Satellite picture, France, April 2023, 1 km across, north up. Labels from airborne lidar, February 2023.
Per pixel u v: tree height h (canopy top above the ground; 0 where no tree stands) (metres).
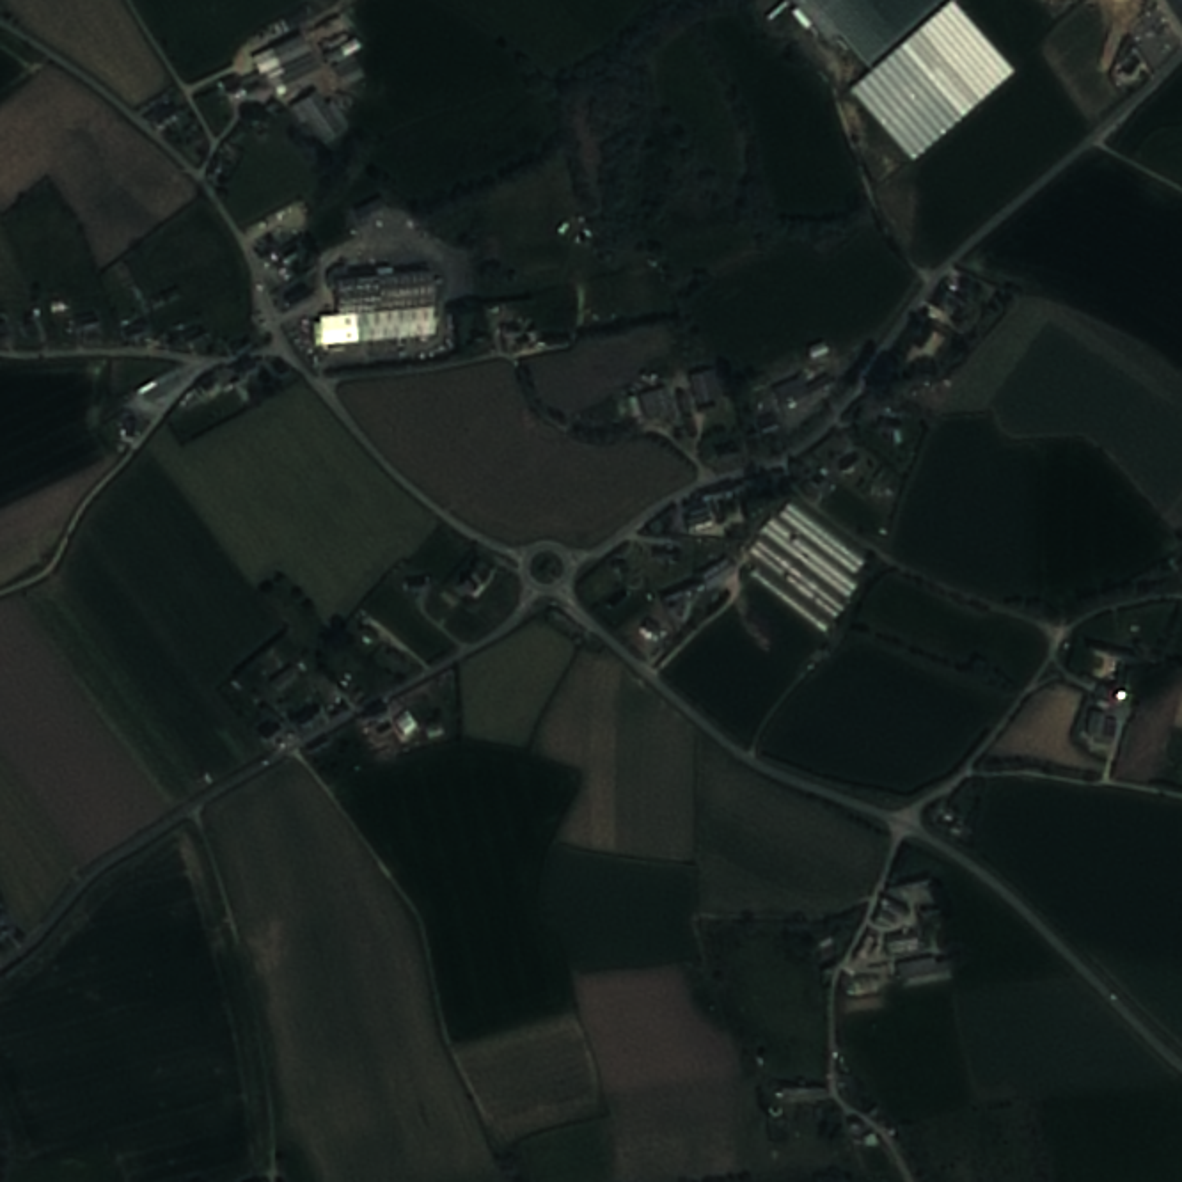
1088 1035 0
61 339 0
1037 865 0
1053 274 0
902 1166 0
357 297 0
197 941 0
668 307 0
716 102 0
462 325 6
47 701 0
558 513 0
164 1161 0
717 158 0
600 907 0
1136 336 0
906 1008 0
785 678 0
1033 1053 0
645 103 8
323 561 0
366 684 0
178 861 0
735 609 0
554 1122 0
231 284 0
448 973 0
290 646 0
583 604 0
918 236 0
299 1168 0
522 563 0
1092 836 0
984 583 0
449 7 0
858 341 0
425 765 0
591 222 14
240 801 0
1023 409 0
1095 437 0
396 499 0
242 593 0
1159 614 0
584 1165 0
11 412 0
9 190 0
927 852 0
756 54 0
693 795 0
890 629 0
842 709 0
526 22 0
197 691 0
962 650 0
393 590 0
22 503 0
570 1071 0
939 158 0
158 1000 0
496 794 0
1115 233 0
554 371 0
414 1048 0
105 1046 0
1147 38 0
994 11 0
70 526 0
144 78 0
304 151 18
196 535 0
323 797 0
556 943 0
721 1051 0
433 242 0
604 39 0
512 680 0
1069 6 0
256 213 0
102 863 0
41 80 0
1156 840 0
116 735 0
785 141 0
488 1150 0
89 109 0
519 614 0
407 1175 0
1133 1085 0
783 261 0
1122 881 0
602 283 0
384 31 0
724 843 0
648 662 0
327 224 0
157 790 0
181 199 0
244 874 0
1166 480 0
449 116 0
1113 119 0
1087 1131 0
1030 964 0
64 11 0
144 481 0
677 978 0
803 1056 0
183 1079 0
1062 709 0
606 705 0
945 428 0
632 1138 0
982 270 0
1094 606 13
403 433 0
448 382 0
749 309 0
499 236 0
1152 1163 0
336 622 0
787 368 0
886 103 0
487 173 0
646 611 0
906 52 0
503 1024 0
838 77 0
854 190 0
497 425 0
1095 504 0
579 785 0
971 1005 0
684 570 0
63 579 0
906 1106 0
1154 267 0
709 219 0
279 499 0
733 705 0
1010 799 0
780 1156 0
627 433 11
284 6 0
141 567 0
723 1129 0
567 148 13
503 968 0
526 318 0
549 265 0
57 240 0
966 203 0
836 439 7
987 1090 0
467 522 0
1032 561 0
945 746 0
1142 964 0
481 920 0
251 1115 0
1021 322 0
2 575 0
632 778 0
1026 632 0
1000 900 0
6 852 0
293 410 0
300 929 0
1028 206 0
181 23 0
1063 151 0
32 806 0
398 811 0
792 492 18
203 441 0
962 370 0
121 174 0
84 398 0
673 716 0
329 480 0
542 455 0
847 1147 0
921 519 0
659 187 0
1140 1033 0
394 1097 0
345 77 0
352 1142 0
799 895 0
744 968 0
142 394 0
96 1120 0
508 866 0
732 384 19
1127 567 0
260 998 0
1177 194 0
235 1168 0
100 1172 0
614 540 0
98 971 0
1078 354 0
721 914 0
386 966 0
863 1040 0
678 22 18
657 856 0
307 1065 0
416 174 0
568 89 15
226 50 0
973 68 0
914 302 0
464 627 0
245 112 10
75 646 0
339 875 0
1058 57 0
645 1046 0
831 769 0
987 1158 0
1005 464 0
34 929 0
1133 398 0
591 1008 0
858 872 0
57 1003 0
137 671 0
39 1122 0
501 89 0
